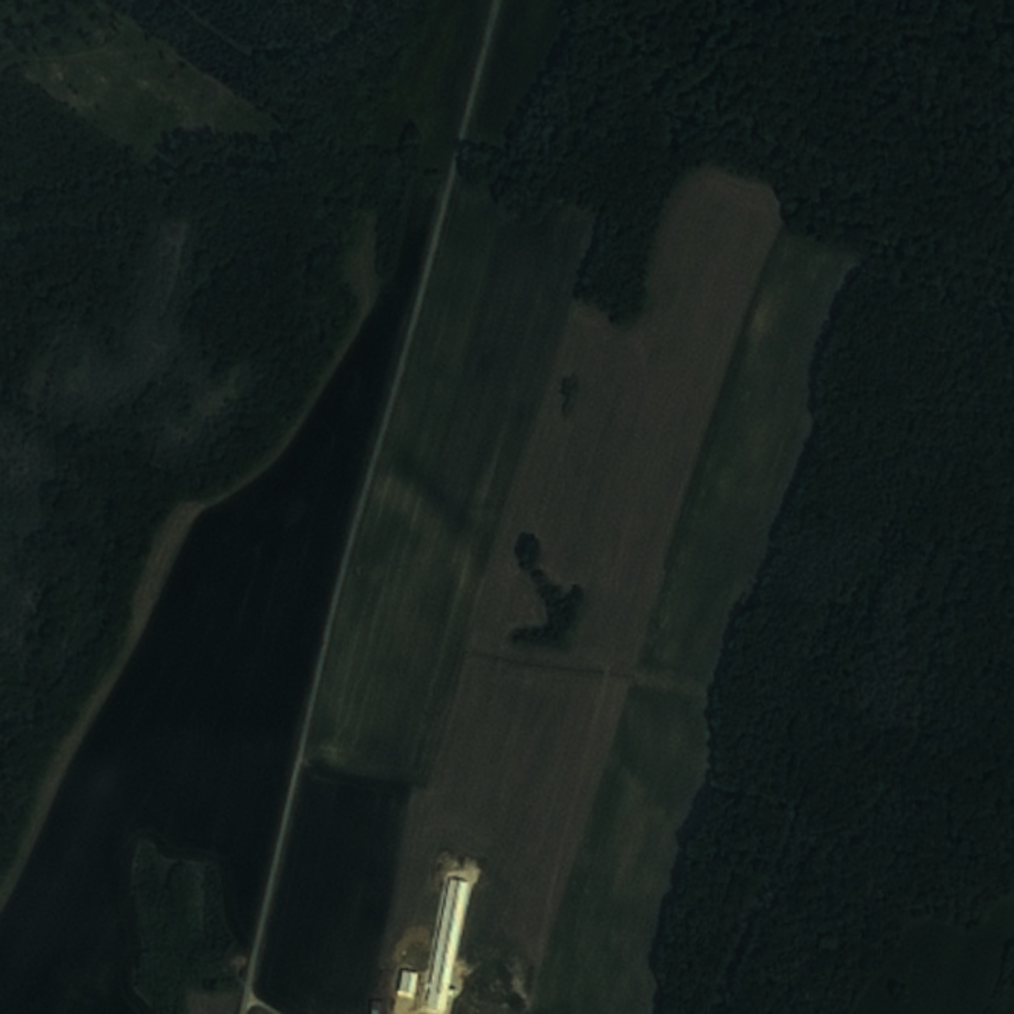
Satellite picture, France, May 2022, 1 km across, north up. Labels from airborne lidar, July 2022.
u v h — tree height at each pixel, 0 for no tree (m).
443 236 0
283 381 12
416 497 0
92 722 0
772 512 0
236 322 21
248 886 0
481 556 0
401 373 0
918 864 21
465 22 0
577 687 0
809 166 26
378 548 0
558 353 0
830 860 13
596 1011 0
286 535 0
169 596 0
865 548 17
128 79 0
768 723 16
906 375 16
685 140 28
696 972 18
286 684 0
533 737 0
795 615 17
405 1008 0
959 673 18
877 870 17
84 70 0
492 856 0
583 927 0
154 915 12
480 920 0
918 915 16
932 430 19
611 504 0
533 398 0
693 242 0
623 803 0
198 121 0
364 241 0
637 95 27
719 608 0
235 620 0
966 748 25
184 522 0
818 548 16
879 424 17
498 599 0
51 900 0
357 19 18
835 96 22
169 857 0
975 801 31
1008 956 10
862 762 19
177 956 10
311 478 0
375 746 0
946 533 8
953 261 26
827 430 17
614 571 0
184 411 11
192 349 6
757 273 0
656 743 0
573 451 0
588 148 29
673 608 0
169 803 0
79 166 9
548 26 0
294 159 21
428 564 0
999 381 17
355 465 0
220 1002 0
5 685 15
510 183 27
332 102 17
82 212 18
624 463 0
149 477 26
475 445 0
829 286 0
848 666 7
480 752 0
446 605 0
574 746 0
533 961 0
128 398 6
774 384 0
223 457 19
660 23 34
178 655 0
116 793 0
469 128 0
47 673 7
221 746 0
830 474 16
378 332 0
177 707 0
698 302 0
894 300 19
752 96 23
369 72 20
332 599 0
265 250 25
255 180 27
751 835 14
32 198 22
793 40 22
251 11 17
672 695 0
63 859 0
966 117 18
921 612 9
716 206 0
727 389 0
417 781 0
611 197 23
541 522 0
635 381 0
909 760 17
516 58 0
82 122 9
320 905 0
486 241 0
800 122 19
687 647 0
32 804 13
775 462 0
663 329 0
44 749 21
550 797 0
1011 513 19
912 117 23
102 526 14
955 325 19
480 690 0
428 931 0
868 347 17
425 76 0
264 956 0
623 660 0
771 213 0
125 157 9
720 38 6
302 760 0
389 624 0
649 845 0
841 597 16
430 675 0
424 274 0
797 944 11
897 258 25
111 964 0
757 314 0
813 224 26
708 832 22
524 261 0
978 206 16
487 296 0
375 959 0
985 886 15
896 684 13
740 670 17
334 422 0
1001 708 23
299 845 0
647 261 16
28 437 7
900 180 17
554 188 24
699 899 14
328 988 0
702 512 0
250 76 16
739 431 0
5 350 12
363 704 0
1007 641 18
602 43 23
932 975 0
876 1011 0
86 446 21
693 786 0
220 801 0
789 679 18
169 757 0
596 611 0
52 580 9
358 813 0
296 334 18
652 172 21
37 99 13
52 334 5
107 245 14
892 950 16
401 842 0
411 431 0
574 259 0
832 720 22
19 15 21
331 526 0
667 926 15
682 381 0
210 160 29
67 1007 0
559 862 0
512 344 0
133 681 0
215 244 21
